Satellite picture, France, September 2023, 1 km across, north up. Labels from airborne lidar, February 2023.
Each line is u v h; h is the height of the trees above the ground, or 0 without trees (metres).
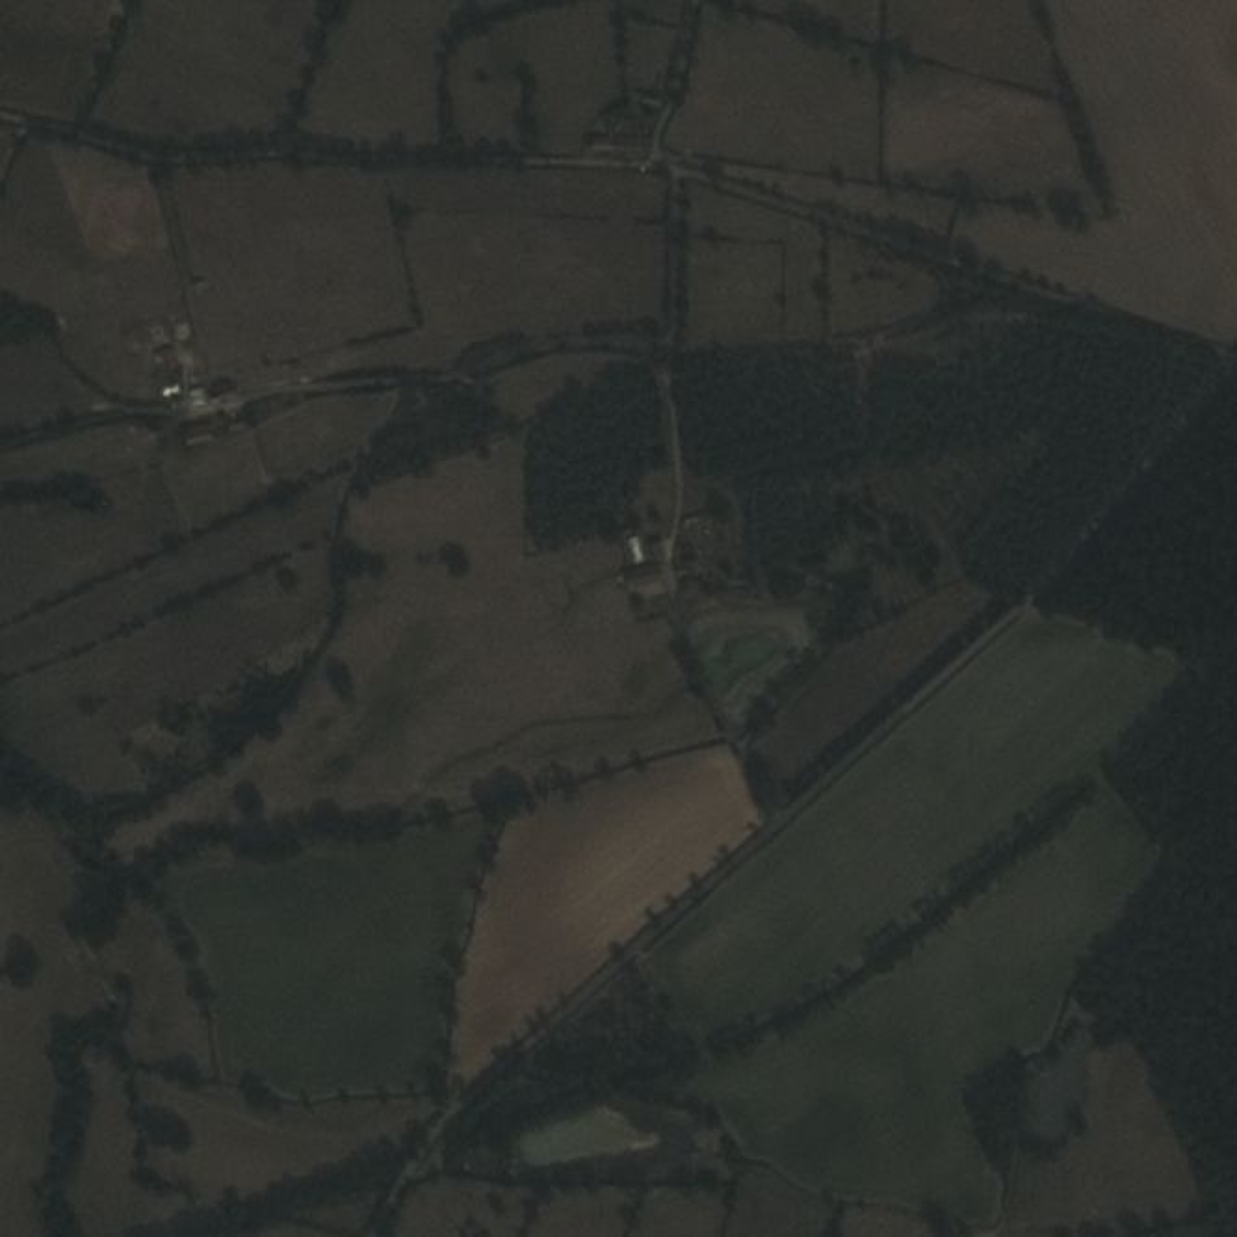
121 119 0
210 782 0
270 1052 0
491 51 0
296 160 16
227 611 0
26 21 0
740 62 0
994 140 0
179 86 0
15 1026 0
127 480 0
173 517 0
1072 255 0
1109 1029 15
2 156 0
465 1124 12
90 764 0
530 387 0
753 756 8
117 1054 16
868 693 0
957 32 0
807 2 0
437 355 0
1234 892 24
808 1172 0
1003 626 0
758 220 0
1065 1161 0
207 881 0
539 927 0
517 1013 0
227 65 0
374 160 13
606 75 0
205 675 0
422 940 0
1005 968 0
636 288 0
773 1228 0
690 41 8
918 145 0
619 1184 14
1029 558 20
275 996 0
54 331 10
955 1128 0
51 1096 0
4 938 0
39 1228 0
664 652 0
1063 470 16
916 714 0
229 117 0
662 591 0
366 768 0
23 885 0
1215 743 23
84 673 0
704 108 0
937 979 0
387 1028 0
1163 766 16
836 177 11
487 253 0
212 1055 0
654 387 14
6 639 0
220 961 0
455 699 0
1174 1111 19
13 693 0
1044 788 0
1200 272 0
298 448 0
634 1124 0
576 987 0
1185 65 0
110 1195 0
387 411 0
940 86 0
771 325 0
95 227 0
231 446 0
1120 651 0
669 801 0
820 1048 0
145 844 0
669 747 0
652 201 0
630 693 0
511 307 0
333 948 0
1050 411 19
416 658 0
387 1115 0
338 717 0
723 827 0
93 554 0
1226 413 28
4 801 17
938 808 0
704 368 13
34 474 0
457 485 0
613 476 15
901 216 0
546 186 0
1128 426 17
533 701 0
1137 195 0
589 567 0
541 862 0
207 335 0
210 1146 0
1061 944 0
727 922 0
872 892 0
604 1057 17
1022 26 0
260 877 0
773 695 11
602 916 0
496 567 0
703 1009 0
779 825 0
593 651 0
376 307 0
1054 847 0
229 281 0
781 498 15
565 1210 0
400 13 0
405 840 0
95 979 0
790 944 0
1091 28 0
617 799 0
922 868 0
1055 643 0
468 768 0
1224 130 0
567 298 0
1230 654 26
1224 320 0
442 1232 0
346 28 0
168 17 0
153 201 0
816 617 0
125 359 0
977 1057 0
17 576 0
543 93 0
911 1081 0
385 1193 6
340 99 0
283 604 0
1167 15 0
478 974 0
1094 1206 0
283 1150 0
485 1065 0
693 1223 0
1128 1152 0
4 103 0
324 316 0
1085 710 0
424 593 0
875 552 12
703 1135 0
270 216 0
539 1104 23
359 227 0
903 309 0
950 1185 0
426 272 0
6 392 0
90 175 0
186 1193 19
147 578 0
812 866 0
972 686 0
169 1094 0
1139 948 20
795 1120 0
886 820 0
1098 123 0
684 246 14
